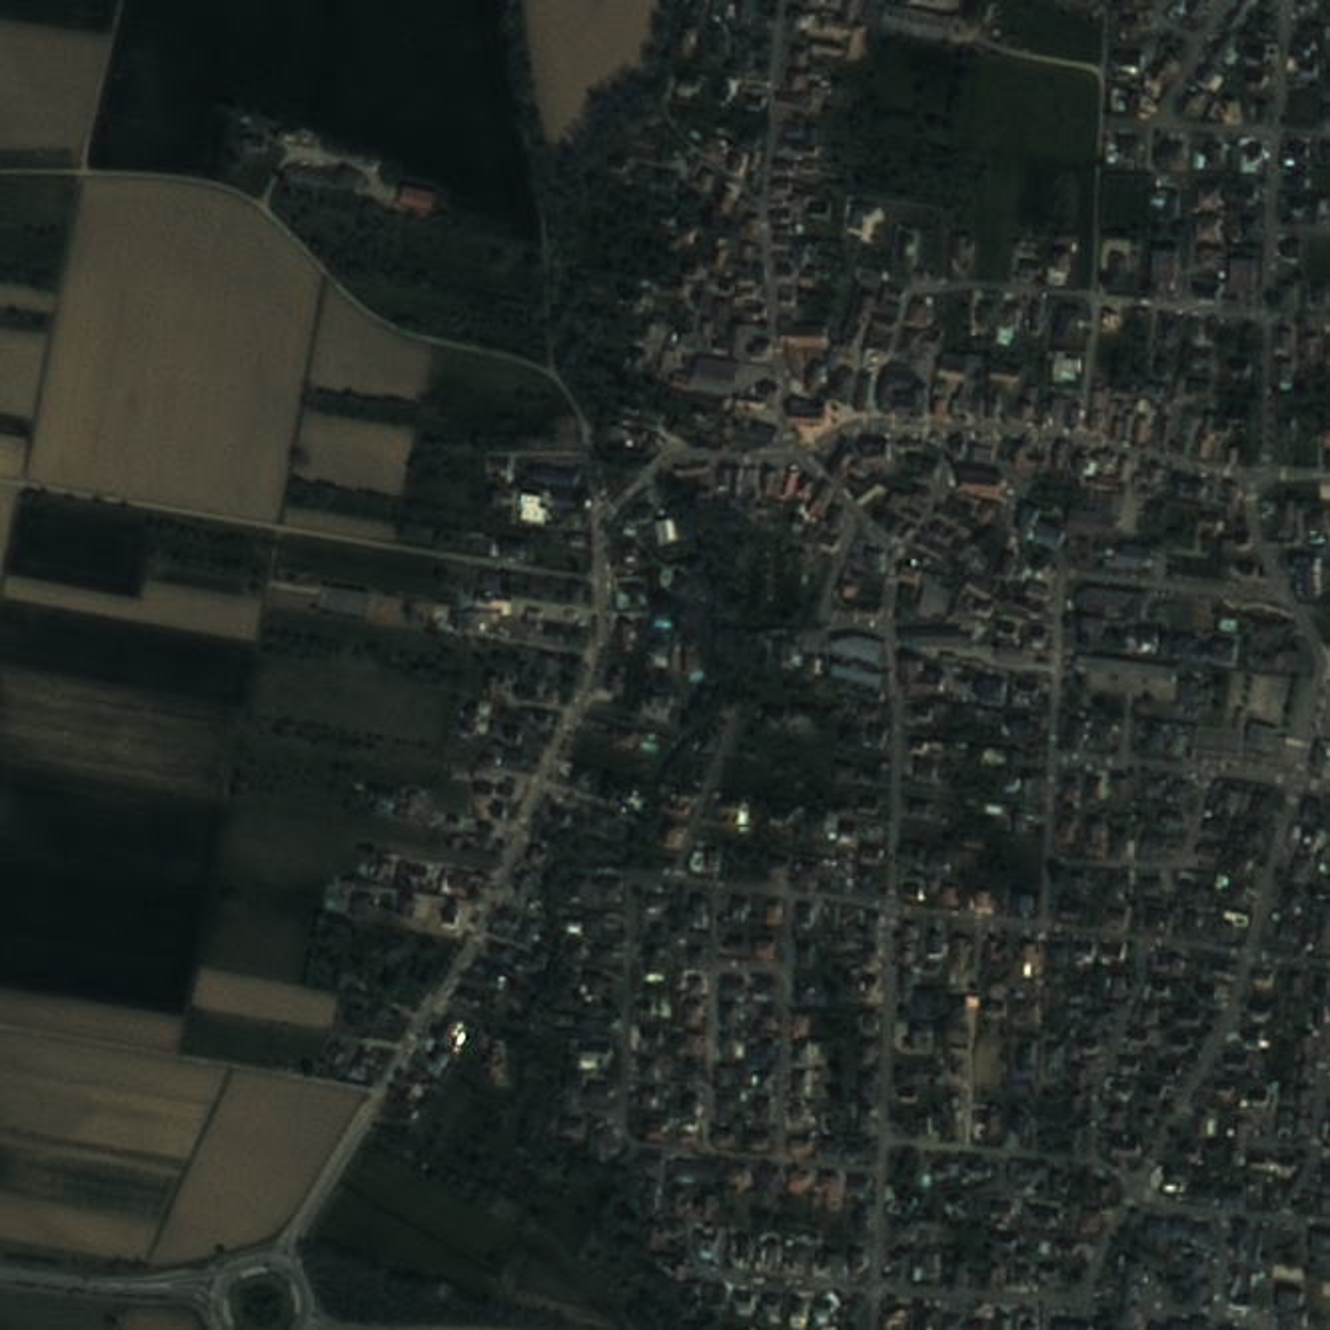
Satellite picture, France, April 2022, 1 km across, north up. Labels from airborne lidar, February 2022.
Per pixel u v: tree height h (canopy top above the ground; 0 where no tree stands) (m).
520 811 0
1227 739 0
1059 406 0
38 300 0
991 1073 0
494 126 0
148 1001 0
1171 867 0
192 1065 0
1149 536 0
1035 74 0
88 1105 0
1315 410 10
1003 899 0
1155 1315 0
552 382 0
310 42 0
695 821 0
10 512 0
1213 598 0
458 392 0
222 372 0
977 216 0
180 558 6
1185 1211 0
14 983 0
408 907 0
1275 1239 0
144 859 0
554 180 17
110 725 0
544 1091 9
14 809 0
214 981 0
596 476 17
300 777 0
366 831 0
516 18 14
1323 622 0
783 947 0
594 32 0
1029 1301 0
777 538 0
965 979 0
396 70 0
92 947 0
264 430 0
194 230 0
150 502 0
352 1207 0
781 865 0
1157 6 0
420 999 0
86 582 0
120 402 0
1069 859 0
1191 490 0
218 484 0
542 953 10
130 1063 0
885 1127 0
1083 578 0
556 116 0
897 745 0
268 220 0
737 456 0
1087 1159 0
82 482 0
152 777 0
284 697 0
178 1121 0
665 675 9
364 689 0
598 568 0
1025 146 0
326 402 6
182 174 0
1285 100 0
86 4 0
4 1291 0
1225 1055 0
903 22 0
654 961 0
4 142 0
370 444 0
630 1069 0
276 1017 0
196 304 0
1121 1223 0
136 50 0
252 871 0
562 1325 13
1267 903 0
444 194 0
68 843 0
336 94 0
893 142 0
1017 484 0
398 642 0
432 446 7
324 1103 0
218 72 0
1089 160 0
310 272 0
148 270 0
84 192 0
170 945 0
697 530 16
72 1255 0
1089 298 0
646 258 7
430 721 0
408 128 0
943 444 0
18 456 0
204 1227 0
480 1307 13
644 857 9
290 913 0
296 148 0
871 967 0
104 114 0
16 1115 0
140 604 0
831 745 0
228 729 0
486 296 0
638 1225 13
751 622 0
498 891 0
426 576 0
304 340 0
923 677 0
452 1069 7
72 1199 0
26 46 0
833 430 0
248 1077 0
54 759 0
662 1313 17
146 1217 0
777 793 0
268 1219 0
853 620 0
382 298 0
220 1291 0
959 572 6
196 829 0
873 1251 0
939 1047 0
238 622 0
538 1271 0
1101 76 0
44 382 0
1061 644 0
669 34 16
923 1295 0
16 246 0
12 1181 0
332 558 0
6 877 0
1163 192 0
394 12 0
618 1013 6
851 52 0
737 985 0
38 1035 0
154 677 0
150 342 0
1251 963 0
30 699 0
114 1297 0
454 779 0
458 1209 0
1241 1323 0
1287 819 0
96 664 0
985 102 0
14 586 0
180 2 0
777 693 0
